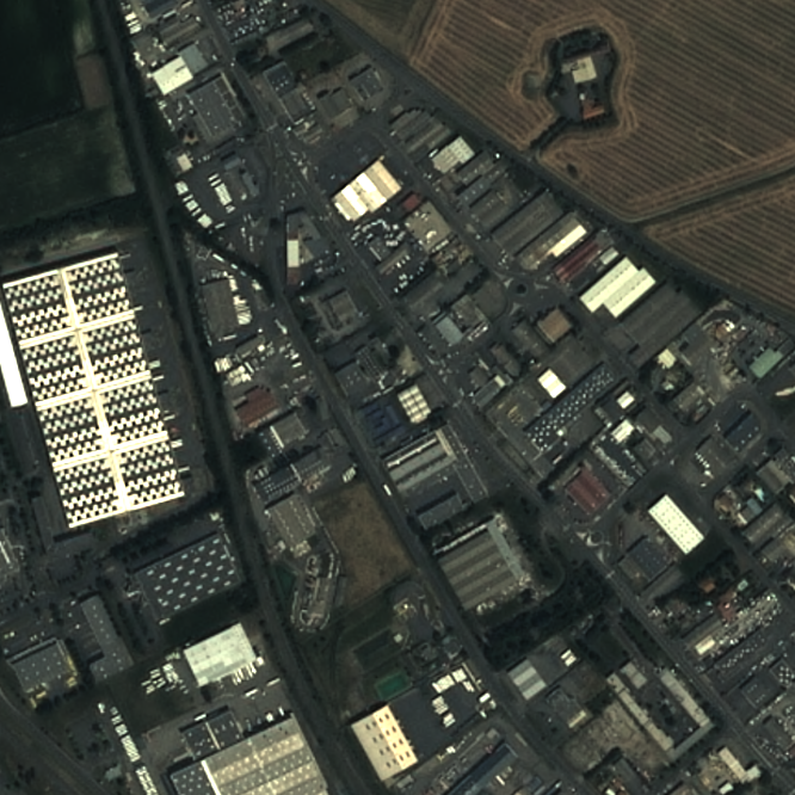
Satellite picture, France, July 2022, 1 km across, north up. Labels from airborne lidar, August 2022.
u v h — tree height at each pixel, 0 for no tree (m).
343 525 0
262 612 0
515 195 0
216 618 0
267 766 0
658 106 0
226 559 0
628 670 0
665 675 0
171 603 0
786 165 0
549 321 0
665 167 0
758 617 0
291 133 0
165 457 0
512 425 0
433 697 0
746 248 0
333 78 0
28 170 0
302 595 0
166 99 0
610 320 0
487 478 0
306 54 0
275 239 0
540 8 0
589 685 0
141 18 0
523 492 0
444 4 0
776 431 0
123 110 6
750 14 0
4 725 0
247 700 0
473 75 0
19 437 0
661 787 0
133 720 0
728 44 0
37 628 0
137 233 0
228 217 0
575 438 0
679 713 0
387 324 0
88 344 0
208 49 0
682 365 8
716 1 0
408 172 0
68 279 0
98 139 0
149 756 0
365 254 0
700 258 0
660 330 0
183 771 0
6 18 0
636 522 0
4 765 0
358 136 0
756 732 0
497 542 0
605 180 0
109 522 0
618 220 0
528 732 0
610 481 0
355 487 0
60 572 0
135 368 0
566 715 0
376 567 0
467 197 0
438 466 0
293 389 0
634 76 0
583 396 0
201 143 0
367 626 0
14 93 0
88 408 0
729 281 0
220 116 0
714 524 0
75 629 0
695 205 0
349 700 0
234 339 0
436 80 0
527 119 0
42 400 0
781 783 0
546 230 0
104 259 0
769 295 0
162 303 0
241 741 0
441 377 0
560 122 9
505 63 0
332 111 0
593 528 0
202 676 0
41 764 0
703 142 0
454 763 0
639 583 0
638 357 0
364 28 0
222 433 0
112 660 0
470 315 0
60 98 0
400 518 0
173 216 12
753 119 0
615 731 0
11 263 0
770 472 0
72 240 0
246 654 0
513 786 0
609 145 0
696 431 0
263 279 14
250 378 0
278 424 0
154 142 7
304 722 0
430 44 0
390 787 0
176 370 0
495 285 0
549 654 0
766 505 6
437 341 0
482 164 0
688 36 0
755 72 0
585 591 8
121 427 0
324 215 0
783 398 0
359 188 0
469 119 0
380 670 0
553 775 0
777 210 0
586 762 0
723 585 9
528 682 0
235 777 0
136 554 8
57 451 0
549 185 6
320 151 0
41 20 0
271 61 6
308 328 11
